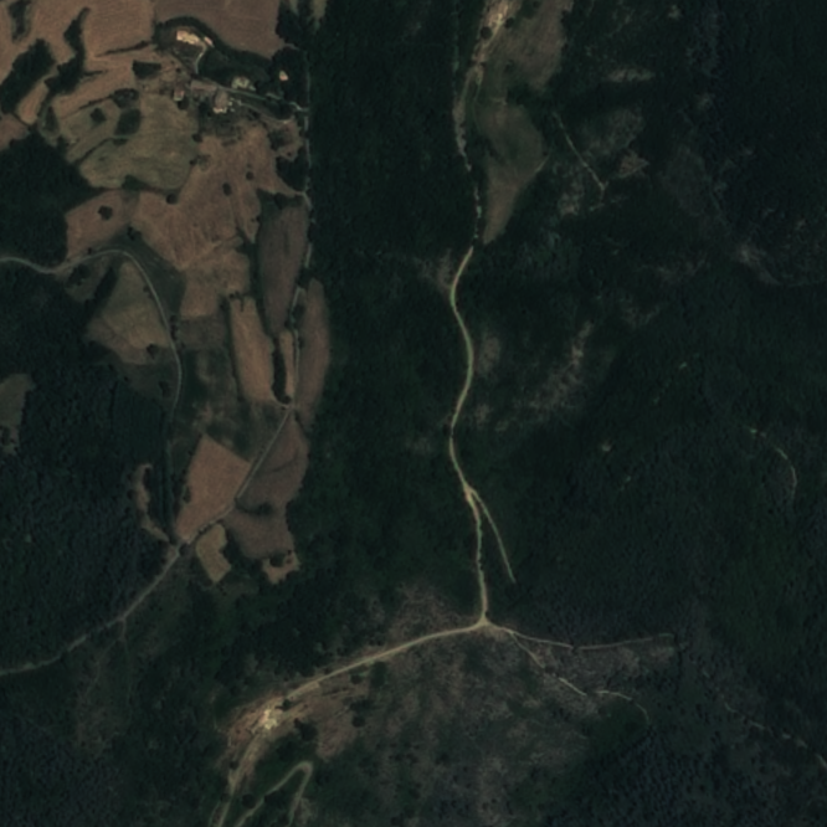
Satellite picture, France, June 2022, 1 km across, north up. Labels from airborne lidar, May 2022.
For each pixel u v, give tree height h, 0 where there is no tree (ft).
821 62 31
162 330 0
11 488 26
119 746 19
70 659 48
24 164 23
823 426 47
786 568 20
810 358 45
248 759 0
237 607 25
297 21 46
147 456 52
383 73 24
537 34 0
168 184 0
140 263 0
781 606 48
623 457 28
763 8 27
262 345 0
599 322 32
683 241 29
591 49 20
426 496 25
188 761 46
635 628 29
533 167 0
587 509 63
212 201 0
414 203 53
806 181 56
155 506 26
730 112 50
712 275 58
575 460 31
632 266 44
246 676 50
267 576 22
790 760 36
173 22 37
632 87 52
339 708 0
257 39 0
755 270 51
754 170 57
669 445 47
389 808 18
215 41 32
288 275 0
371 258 50
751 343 38
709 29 66
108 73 0
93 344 48
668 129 35
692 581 30
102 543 58
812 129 47
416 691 0
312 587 47
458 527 25
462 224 24
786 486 52
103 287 55
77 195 22
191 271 0
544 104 23
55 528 66
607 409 25
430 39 35
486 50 0
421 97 42
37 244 34
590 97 20
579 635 30
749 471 38
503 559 25
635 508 27
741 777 30
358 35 45
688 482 25
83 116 0
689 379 20
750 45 52
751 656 40
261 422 0
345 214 50
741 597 39
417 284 31
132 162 0
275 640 52
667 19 51
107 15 0
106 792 35
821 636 51
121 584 43
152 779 37
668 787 49
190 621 27
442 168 49
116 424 81
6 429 22
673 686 49
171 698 32
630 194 25
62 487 46
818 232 51
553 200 34
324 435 26
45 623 60
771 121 59
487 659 0
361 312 58
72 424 60
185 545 36
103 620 52
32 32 0
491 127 0
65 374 58
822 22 27
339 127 39
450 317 52
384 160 61
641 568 55
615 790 43
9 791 37
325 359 0
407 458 28
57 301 48
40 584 43
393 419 30
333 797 24
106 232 0
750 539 42
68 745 53
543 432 19
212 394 0
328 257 41
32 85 26
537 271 37
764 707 33
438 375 29
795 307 38
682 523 34
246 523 0
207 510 0
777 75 42
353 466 24
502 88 0
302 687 0
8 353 48
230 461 0
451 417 20
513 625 0
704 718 40
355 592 19
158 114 0
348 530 42
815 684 53
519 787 27
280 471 0
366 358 38
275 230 0
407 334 45
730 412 25
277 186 0
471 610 0
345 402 18
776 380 45
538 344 18
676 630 44
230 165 0
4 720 53
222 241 0
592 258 52
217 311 0
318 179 30
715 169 43
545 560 30
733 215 49
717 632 38
